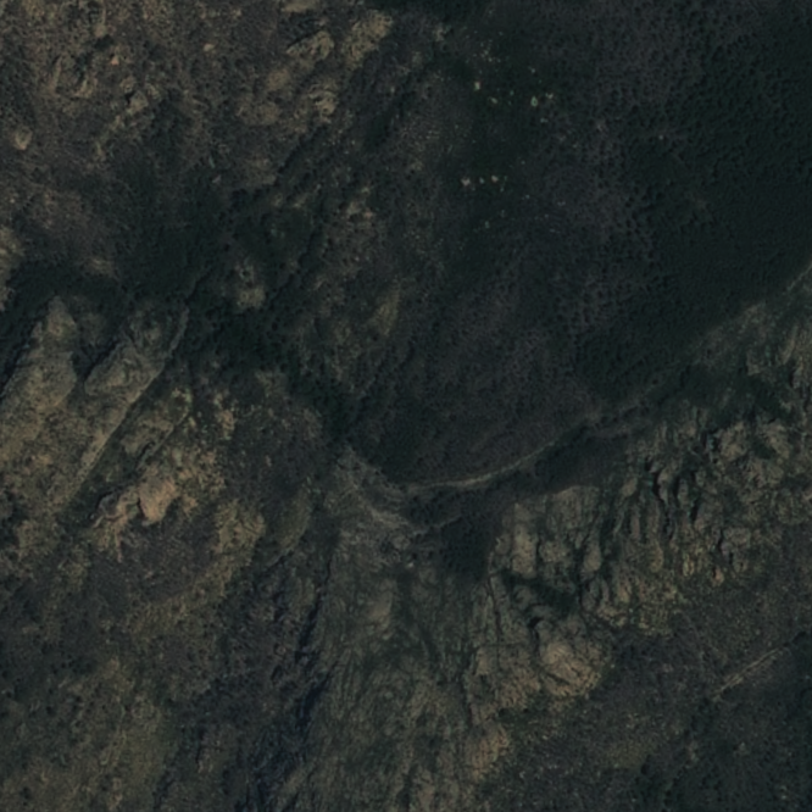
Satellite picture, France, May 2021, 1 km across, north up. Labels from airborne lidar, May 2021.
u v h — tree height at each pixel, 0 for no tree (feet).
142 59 46
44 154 46
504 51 28
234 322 103
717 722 76
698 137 62
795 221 73
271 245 42
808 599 54
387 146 53
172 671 42
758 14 62
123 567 57
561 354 32
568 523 0
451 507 47
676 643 66
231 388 18
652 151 62
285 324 50
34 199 36
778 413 31
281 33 42
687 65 60
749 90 62
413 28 58
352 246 43
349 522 0
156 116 50
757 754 65
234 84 49
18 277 63
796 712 51
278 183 29
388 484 22
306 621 67
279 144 48
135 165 53
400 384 52
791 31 64
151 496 0
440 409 60
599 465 35
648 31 44
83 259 33
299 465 64
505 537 0
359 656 0
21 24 31
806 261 61
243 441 44
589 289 56
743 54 71
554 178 42
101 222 42
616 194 64
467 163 27
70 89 31
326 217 39
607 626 27
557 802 37
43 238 56
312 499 24
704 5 25
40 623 53
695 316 69
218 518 0
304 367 28
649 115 50
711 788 49
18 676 54
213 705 55
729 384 23
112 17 37
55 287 67
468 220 38
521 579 43
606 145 59
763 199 80
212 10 39
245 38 48
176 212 46
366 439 56
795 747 50
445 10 60
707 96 64
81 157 50
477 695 32
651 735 46
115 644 54
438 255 39
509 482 46
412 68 23
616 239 58
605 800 83
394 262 30
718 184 63
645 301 64
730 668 52
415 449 60
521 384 57
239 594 68
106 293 58
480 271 24
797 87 66
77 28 36
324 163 44
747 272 77
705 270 75
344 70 38
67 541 52
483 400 60
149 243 50
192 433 30
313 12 40
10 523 41
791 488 22
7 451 0
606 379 60
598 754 51
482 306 69
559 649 0
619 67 59
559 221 49
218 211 57
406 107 58
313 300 48
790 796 57
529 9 31
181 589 49
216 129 38
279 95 28
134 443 0
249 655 81
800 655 70
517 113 20
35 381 0
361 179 56
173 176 32
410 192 61
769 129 72
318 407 43
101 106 49
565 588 25
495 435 40
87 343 49
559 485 48
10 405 0
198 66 50
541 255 44
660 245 66
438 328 64
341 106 53
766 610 37
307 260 61
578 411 56
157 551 60
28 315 56
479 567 60
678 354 52
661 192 58
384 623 0
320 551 0
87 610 46
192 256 69
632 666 66
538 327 54
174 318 39
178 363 55
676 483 25
